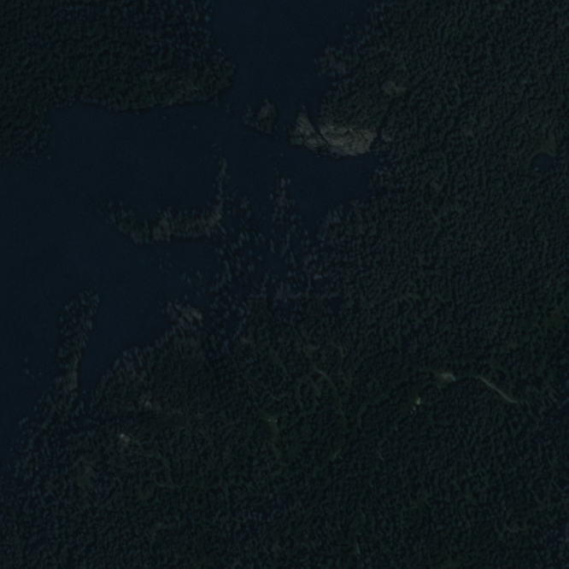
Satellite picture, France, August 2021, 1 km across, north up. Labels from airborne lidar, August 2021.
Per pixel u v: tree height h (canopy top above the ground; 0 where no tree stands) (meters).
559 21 19
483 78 20
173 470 11
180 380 11
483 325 19
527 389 34
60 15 28
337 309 12
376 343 18
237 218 14
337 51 9
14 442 22
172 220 8
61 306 7
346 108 12
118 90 29
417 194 17
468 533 10
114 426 10
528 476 8
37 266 12
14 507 21
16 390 24
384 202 25
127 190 15
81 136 38
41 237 22
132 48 26
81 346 13
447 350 7
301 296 20
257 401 8
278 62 14
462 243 16
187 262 39
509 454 10
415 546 26
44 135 22
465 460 13
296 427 9
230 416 11
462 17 20
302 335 13
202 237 14
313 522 6
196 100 20
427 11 8
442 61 25
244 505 31
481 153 22
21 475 23
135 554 20
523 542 9
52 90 20
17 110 30
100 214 12
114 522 19
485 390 13
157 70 18
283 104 11
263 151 9
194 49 30
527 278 19
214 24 29
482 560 9
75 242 8
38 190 28
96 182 33
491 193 26
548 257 18
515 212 13
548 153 0
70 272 19
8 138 30
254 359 17
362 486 9
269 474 17
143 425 6
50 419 22
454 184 19
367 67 23
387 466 13
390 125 18
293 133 11
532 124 14
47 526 13
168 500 12
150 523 8
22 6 21
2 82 25
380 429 15
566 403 7
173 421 6
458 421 24
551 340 18
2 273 6
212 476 12
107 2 26
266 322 7
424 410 10
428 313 25
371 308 25
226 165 36
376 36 15
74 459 25
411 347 27
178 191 24
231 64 39
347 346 19
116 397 7
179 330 6
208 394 13
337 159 15
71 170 34
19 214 29
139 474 9
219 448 17
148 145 23
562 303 25
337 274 13
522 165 11
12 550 21
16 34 27
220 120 10
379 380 16
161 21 25
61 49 30
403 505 7
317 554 7
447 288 13
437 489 26
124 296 11
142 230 15
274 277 36
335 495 17
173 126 22
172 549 18
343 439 10
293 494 7
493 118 10
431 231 17
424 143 22
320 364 12
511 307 8
